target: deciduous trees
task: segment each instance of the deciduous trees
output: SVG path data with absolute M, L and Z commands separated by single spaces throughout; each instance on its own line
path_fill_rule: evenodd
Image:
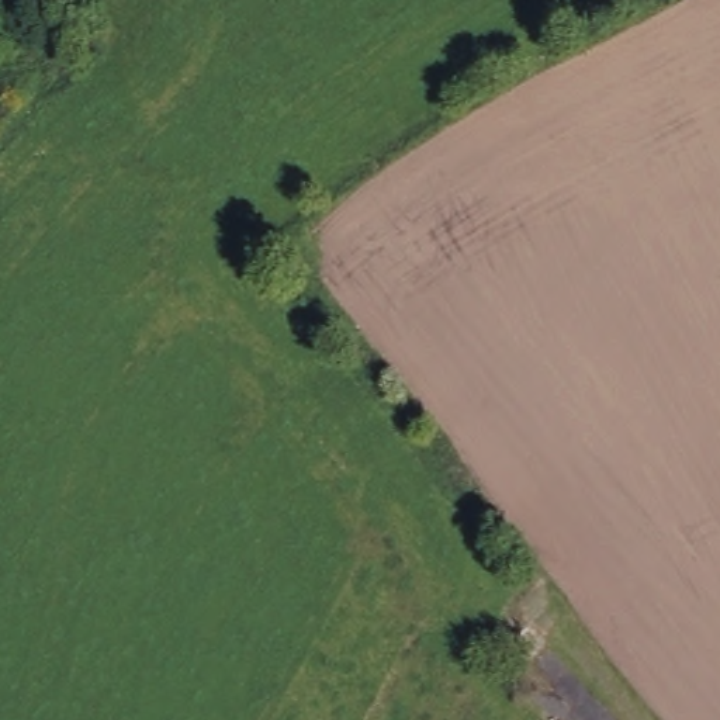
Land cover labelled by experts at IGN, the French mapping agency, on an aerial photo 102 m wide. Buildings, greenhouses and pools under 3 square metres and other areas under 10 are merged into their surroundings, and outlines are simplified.
M 518 526 L 512 526 L 495 503 L 484 512 L 478 543 L 487 551 L 487 557 L 478 565 L 489 574 L 518 577 L 529 582 L 534 579 L 534 568 L 540 565 Z
M 93 65 L 98 59 L 101 42 L 118 34 L 121 0 L 0 0 L 0 113 L 11 107 L 20 113 L 25 104 L 31 104 L 34 96 L 53 98 L 65 93 L 70 76 L 84 65 Z
M 478 683 L 487 689 L 515 683 L 523 678 L 526 655 L 529 641 L 518 630 L 484 633 L 473 638 L 467 655 L 456 661 L 461 672 L 478 675 Z

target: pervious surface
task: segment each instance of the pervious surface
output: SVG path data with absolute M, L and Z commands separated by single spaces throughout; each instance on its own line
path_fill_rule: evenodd
M 537 706 L 543 706 L 540 720 L 613 720 L 605 712 L 605 706 L 596 698 L 591 698 L 591 692 L 565 669 L 565 664 L 554 653 L 540 658 L 537 664 L 526 655 L 523 678 L 515 683 L 515 695 L 526 695 Z

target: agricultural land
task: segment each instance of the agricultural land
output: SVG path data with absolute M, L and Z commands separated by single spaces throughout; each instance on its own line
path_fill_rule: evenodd
M 523 84 L 495 96 L 489 104 L 467 113 L 456 124 L 436 129 L 425 115 L 425 107 L 430 101 L 439 101 L 444 84 L 461 79 L 481 56 L 509 53 L 515 45 L 520 48 L 529 39 L 537 42 L 546 17 L 557 8 L 593 14 L 610 6 L 613 0 L 121 0 L 118 34 L 101 42 L 98 59 L 93 65 L 84 65 L 70 76 L 65 93 L 53 98 L 34 96 L 31 104 L 25 104 L 20 113 L 11 107 L 0 113 L 0 720 L 253 720 L 270 698 L 281 695 L 278 689 L 267 689 L 264 681 L 278 675 L 287 667 L 290 655 L 295 655 L 304 616 L 315 610 L 321 585 L 332 577 L 332 568 L 346 554 L 346 540 L 363 532 L 368 523 L 383 532 L 385 546 L 408 548 L 408 554 L 425 565 L 425 571 L 433 579 L 447 579 L 453 596 L 464 605 L 470 616 L 492 613 L 495 619 L 501 619 L 509 599 L 529 582 L 518 577 L 489 574 L 478 565 L 487 557 L 487 551 L 478 543 L 484 512 L 495 503 L 512 526 L 518 526 L 540 565 L 565 591 L 579 619 L 588 624 L 588 630 L 599 638 L 605 653 L 619 664 L 619 669 L 627 675 L 627 681 L 641 692 L 641 698 L 661 720 L 720 720 L 720 0 L 681 0 L 647 17 L 644 23 L 636 23 L 622 34 L 596 42 L 593 48 L 574 53 L 557 62 L 554 68 L 526 79 Z M 276 183 L 287 197 L 301 194 L 309 177 L 332 197 L 338 200 L 338 208 L 326 219 L 321 219 L 321 276 L 326 293 L 340 304 L 343 312 L 352 315 L 354 326 L 377 349 L 377 357 L 368 360 L 368 366 L 335 366 L 332 360 L 321 357 L 321 352 L 312 346 L 312 335 L 318 326 L 326 323 L 321 301 L 293 307 L 290 301 L 270 301 L 253 281 L 253 276 L 245 273 L 256 248 L 262 245 L 262 236 L 267 233 L 267 219 L 253 205 Z M 413 399 L 397 408 L 385 399 L 383 391 L 380 377 L 385 371 L 385 363 L 397 371 L 397 380 L 402 380 L 413 391 Z M 405 447 L 399 444 L 399 430 L 408 430 L 411 422 L 422 413 L 428 413 L 444 433 L 433 439 L 430 447 L 413 447 L 405 453 Z

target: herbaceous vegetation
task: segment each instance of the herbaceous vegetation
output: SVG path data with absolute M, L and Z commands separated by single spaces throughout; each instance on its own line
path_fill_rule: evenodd
M 605 712 L 613 720 L 661 720 L 641 698 L 641 692 L 627 681 L 627 675 L 619 669 L 619 664 L 605 653 L 599 638 L 588 630 L 588 624 L 579 619 L 565 591 L 540 565 L 534 568 L 534 579 L 529 582 L 509 599 L 501 619 L 495 619 L 492 613 L 470 616 L 464 605 L 453 596 L 447 579 L 433 579 L 425 571 L 425 565 L 408 554 L 408 548 L 385 546 L 383 532 L 368 523 L 363 532 L 346 540 L 346 554 L 332 568 L 332 577 L 321 585 L 315 610 L 304 616 L 295 655 L 290 655 L 287 667 L 278 675 L 264 681 L 267 689 L 278 689 L 281 695 L 270 698 L 253 720 L 540 720 L 543 706 L 537 706 L 526 695 L 515 695 L 515 683 L 487 689 L 478 683 L 478 675 L 461 672 L 456 661 L 467 655 L 473 638 L 484 633 L 518 630 L 529 641 L 526 655 L 537 664 L 540 658 L 554 653 L 565 664 L 565 669 L 591 692 L 591 698 L 596 698 L 605 706 Z
M 326 219 L 338 208 L 338 200 L 332 197 L 315 200 L 315 214 L 304 214 L 307 228 L 295 239 L 290 256 L 298 264 L 298 290 L 309 278 L 321 276 L 321 219 Z

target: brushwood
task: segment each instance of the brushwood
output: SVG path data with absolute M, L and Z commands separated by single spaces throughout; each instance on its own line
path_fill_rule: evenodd
M 397 380 L 397 371 L 385 363 L 385 371 L 380 377 L 383 391 L 385 399 L 397 408 L 413 399 L 413 391 L 402 380 Z
M 332 197 L 309 177 L 301 194 L 287 197 L 276 183 L 253 205 L 267 219 L 267 233 L 262 236 L 262 245 L 256 248 L 245 273 L 253 276 L 253 281 L 270 301 L 290 301 L 293 307 L 321 301 L 326 323 L 318 326 L 312 335 L 312 346 L 321 352 L 321 357 L 332 360 L 335 366 L 368 366 L 368 360 L 377 357 L 377 349 L 354 326 L 352 315 L 343 312 L 340 304 L 326 293 L 321 276 L 309 278 L 298 290 L 298 264 L 290 256 L 295 239 L 307 228 L 304 214 L 315 214 L 315 200 Z
M 425 107 L 425 115 L 436 129 L 456 124 L 467 113 L 489 104 L 495 96 L 523 84 L 526 79 L 554 68 L 557 62 L 574 53 L 593 48 L 596 42 L 622 34 L 636 23 L 644 23 L 647 17 L 681 0 L 613 0 L 610 6 L 593 14 L 557 8 L 546 17 L 537 42 L 529 39 L 520 48 L 515 45 L 509 53 L 481 56 L 461 79 L 444 84 L 439 101 L 430 101 Z
M 444 433 L 428 413 L 422 413 L 411 422 L 408 430 L 399 430 L 399 444 L 405 447 L 405 453 L 413 447 L 430 447 L 433 439 Z

